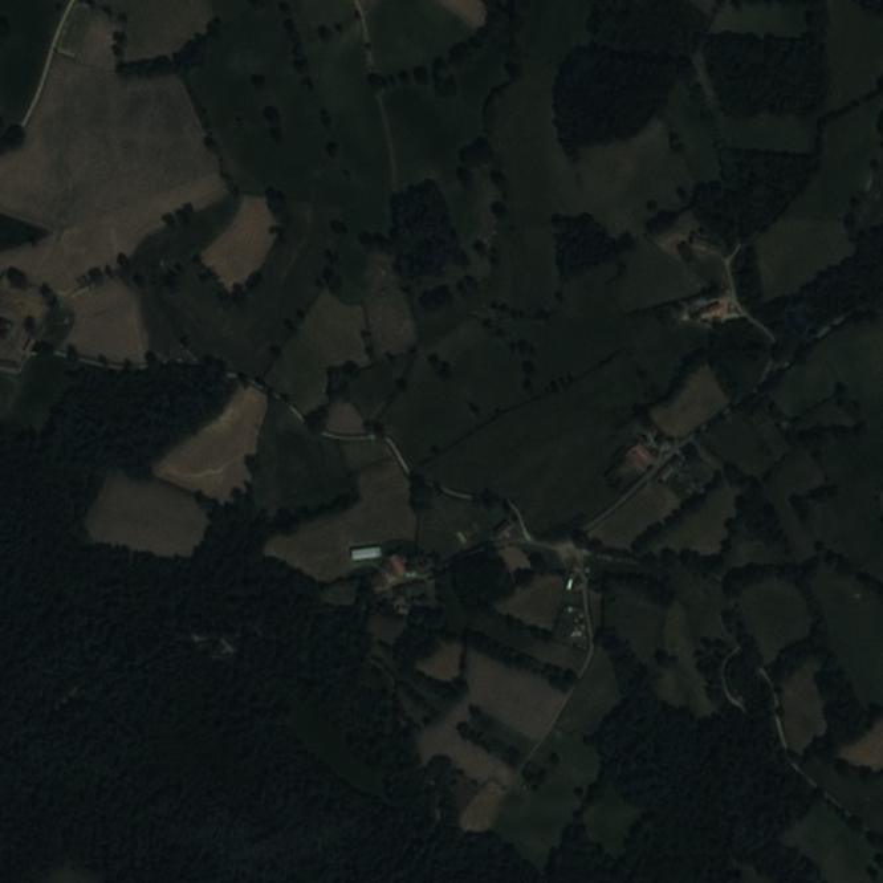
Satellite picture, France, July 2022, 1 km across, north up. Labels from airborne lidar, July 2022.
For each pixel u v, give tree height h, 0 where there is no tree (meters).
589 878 23
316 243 0
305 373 0
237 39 0
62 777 20
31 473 19
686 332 0
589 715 0
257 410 0
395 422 0
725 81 20
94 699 8
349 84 0
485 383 0
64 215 0
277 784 20
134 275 0
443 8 0
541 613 0
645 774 28
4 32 22
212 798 18
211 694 15
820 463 7
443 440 0
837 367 0
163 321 0
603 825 0
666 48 0
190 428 14
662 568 11
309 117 0
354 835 9
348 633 13
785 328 12
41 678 28
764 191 12
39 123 0
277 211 25
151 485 0
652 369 0
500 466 0
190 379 14
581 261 25
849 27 0
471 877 14
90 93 0
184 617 23
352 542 0
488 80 0
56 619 21
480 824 0
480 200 0
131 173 0
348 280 0
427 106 0
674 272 0
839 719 31
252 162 0
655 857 17
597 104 23
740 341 6
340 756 0
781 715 9
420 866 21
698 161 0
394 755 11
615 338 0
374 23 0
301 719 0
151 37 0
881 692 0
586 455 0
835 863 0
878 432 0
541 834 0
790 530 0
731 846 24
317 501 0
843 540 0
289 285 0
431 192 17
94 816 17
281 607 19
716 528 0
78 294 0
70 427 13
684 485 0
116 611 20
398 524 0
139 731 21
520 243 0
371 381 0
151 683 15
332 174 0
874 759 0
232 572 18
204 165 0
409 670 17
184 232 0
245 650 17
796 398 0
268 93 0
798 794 12
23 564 15
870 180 0
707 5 0
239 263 0
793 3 14
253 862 10
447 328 0
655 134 0
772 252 0
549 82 0
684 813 18
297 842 19
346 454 0
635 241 13
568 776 0
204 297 0
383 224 0
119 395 6
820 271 0
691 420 0
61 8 10
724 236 8
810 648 15
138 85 0
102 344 0
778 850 13
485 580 24
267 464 0
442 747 0
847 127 0
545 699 0
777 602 0
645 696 31
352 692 17
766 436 0
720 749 24
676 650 0
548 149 0
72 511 11
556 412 0
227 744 7
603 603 7
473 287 19
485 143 17
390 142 0
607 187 0
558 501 0
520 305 0
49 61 0
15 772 24
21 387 0
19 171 0
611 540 0
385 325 0
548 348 0
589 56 22
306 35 0
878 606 0
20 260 0
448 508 0
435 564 7
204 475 0
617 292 0
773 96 12
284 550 0
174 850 20
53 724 22
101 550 18
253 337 0
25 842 19
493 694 0
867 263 16
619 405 0
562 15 0
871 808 0
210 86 0
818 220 0
